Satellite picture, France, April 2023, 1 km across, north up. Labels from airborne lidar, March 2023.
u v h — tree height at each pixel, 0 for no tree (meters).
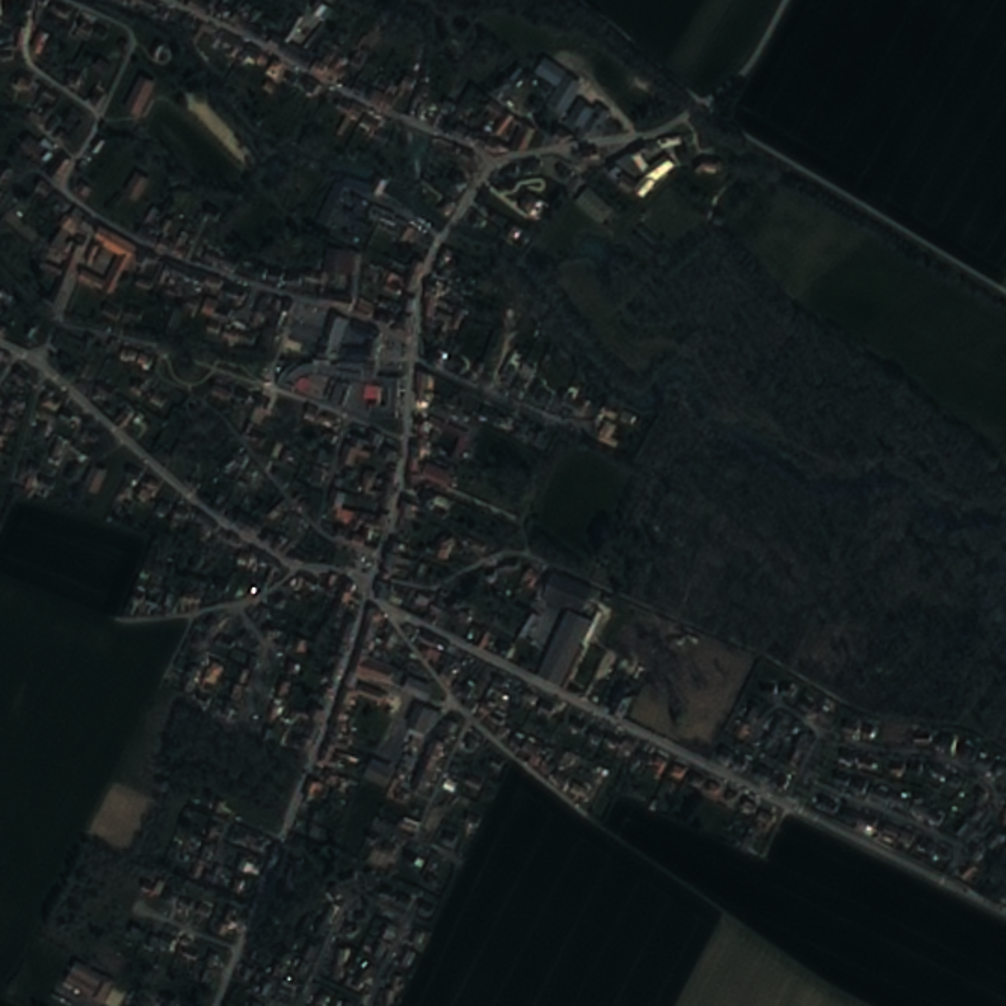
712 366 22
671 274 15
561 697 0
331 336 0
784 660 14
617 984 0
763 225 0
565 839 0
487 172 0
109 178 0
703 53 0
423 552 6
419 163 0
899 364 0
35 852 0
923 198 0
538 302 18
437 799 0
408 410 0
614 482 0
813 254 0
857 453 27
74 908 10
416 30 24
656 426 15
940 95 0
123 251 0
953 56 0
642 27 0
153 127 0
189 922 0
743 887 0
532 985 0
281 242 26
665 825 0
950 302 0
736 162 9
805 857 0
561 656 0
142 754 0
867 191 0
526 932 0
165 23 6
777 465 20
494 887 0
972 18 0
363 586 0
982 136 0
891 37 0
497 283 12
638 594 21
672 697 25
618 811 0
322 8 0
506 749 0
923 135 0
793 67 0
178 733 15
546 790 0
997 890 13
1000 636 17
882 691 7
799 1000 0
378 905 0
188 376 21
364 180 0
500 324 9
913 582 37
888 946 0
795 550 34
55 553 0
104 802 0
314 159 0
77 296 0
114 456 0
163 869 6
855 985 0
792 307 24
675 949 0
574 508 0
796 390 29
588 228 0
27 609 0
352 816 0
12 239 6
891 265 0
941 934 0
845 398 30
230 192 20
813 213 0
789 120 0
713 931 0
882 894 0
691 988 0
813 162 0
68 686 0
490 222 0
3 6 8
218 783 17
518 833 0
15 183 0
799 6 0
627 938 0
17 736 0
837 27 0
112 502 0
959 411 0
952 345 0
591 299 0
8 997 0
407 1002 0
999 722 22
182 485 0
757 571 33
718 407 25
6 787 0
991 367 0
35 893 0
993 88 0
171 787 16
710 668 0
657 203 0
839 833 0
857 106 0
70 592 0
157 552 9
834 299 0
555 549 16
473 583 12
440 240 0
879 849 0
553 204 11
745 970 0
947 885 0
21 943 0
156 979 10
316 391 0
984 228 0
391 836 0
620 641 0
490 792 6
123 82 0
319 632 12
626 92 0
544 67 0
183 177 14
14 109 9
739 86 12
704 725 0
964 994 0
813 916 0
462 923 0
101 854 15
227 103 11
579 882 0
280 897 18
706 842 0
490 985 0
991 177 0
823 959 0
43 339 0
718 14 0
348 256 0
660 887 0
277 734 0
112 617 0
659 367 11
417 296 0
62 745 0
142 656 0
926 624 26
